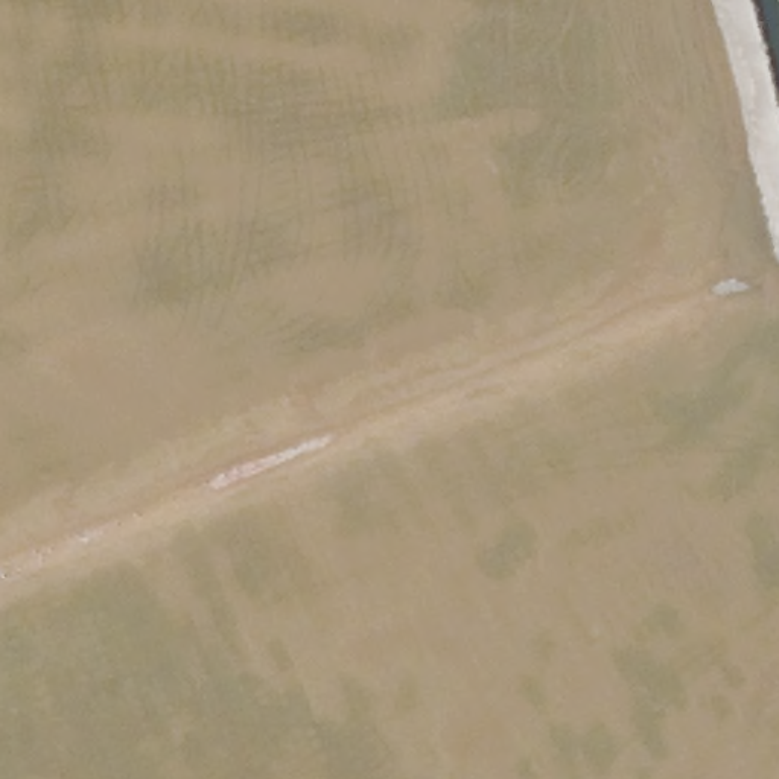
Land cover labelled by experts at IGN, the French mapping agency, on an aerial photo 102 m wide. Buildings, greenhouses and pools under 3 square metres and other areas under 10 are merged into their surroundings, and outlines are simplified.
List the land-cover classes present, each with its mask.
<instances>
[{"label":"water","instance_id":"1","mask_svg":"<svg viewBox=\"0 0 779 779\"><path fill-rule=\"evenodd\" d=\"M320 435H329V447L323 450L301 453L283 466L243 478L225 490L210 484L219 472L280 453L292 444ZM0 779H779V259L773 253L761 189L749 158V134L742 122L739 91L733 82V70L727 61L712 0H0ZM779 97V0H755Z\"/></svg>","mask_w":779,"mask_h":779},{"label":"pervious surface","instance_id":"2","mask_svg":"<svg viewBox=\"0 0 779 779\"><path fill-rule=\"evenodd\" d=\"M727 61L733 70V82L739 91L742 122L749 134V158L761 189L773 253L779 259V97L755 0H712ZM329 447V435H320L292 444L280 453L219 472L210 484L225 490L243 478L283 466L301 453L323 450Z\"/></svg>","mask_w":779,"mask_h":779}]
</instances>
